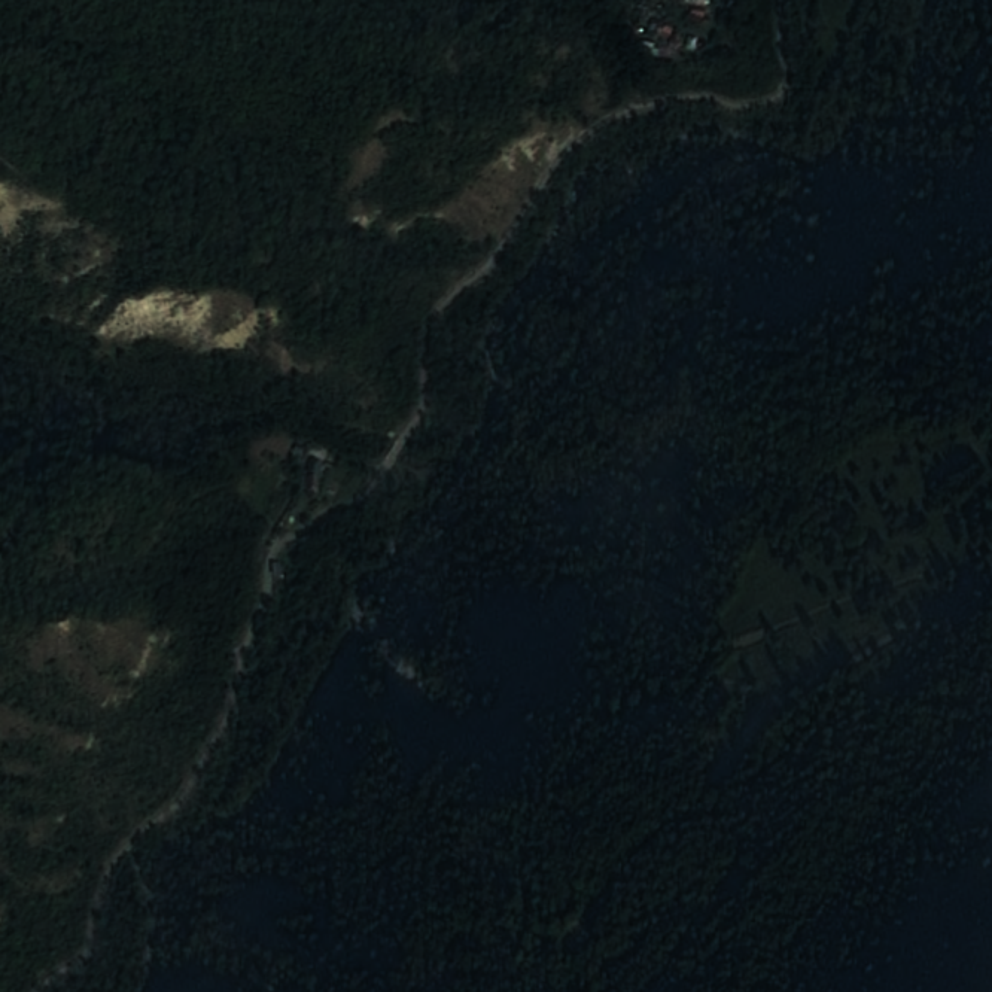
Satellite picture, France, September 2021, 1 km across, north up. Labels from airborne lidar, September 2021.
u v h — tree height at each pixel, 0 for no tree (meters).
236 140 25
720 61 17
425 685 9
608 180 8
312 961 8
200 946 11
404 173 14
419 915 27
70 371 26
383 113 19
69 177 18
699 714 20
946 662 28
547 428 15
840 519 17
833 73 13
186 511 15
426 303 9
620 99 13
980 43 10
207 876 18
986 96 24
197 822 15
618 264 23
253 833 19
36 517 9
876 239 8
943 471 0
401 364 22
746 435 16
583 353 18
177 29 18
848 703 17
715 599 10
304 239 18
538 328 22
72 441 15
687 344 11
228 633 7
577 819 20
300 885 27
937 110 31
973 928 30
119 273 10
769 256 17
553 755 21
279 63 18
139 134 9
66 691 13
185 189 29
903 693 20
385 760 14
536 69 14
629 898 19
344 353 13
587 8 27
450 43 12
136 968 12
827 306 18
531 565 19
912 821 20
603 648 23
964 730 8
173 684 8
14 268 13
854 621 0
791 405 30
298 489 9
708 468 13
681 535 12
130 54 21
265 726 24
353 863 25
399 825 23
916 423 22
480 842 12
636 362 28
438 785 6
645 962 21
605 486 9
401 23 20
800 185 15
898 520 15
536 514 18
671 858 19
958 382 33
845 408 19
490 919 14
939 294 27
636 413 14
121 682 6
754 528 15
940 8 29
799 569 17
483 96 23
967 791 19
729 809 27
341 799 10
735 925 21
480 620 11
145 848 14
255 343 10
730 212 26
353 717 7
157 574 8
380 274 25
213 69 18
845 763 20
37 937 10
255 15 22
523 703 14
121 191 19
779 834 29
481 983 26
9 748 12
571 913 15
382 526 16
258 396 23
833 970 24
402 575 16
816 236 12
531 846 21
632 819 21
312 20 28
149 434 13
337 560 15
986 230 18
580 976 17
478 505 18
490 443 11
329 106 22
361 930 26
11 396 28
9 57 24
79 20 21
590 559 26
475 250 9
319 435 8
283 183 36
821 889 20
